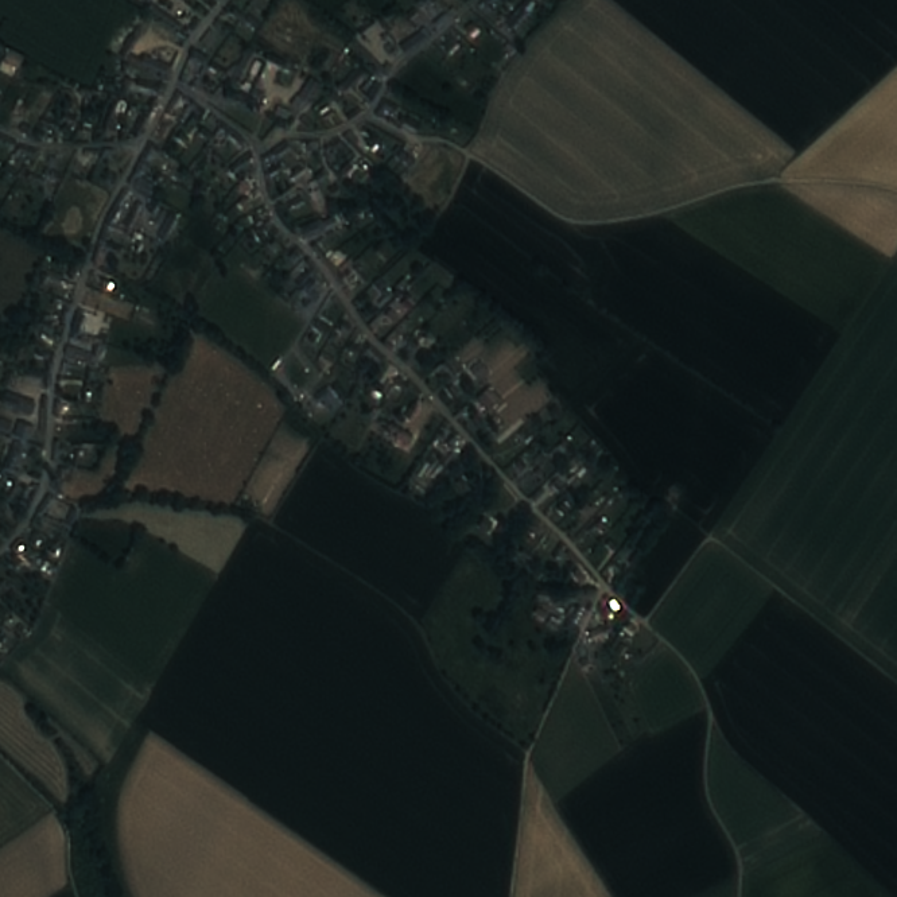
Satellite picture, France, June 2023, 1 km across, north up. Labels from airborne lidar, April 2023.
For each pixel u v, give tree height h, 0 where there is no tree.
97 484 0
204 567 0
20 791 0
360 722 0
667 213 0
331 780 0
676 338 0
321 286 0
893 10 0
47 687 0
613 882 0
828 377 0
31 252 0
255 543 0
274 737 0
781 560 0
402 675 0
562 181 0
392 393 0
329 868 0
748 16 0
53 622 0
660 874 0
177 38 0
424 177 0
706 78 0
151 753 0
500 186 0
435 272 0
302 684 0
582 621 0
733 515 0
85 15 0
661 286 0
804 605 0
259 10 0
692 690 0
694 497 0
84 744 0
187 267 0
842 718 0
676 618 0
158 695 0
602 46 0
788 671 0
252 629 0
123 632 0
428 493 12
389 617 0
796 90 0
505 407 0
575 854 0
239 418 0
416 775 0
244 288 0
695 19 0
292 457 0
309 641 0
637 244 0
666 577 0
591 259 0
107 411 0
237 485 0
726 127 0
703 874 0
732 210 0
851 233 0
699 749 0
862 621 0
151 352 17
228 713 0
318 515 0
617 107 0
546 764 0
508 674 0
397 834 0
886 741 0
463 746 0
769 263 0
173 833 0
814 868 0
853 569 0
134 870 0
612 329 0
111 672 0
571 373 0
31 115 0
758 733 0
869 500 0
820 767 0
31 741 0
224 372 0
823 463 0
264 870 0
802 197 0
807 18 0
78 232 0
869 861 0
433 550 0
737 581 0
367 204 13
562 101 0
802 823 0
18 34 0
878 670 0
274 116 6
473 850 0
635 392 0
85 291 0
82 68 0
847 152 0
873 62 0
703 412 0
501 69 0
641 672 0
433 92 0
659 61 0
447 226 0
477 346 0
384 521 0
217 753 0
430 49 0
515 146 0
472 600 0
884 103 0
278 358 0
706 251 0
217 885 0
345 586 0
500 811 0
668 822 0
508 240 0
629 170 0
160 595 0
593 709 0
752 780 0
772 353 0
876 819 0
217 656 0
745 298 0
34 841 0
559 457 13
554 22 0
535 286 0
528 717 0
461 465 12
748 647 0
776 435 0
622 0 0
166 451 0
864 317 0
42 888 0
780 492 0
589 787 0
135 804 0
